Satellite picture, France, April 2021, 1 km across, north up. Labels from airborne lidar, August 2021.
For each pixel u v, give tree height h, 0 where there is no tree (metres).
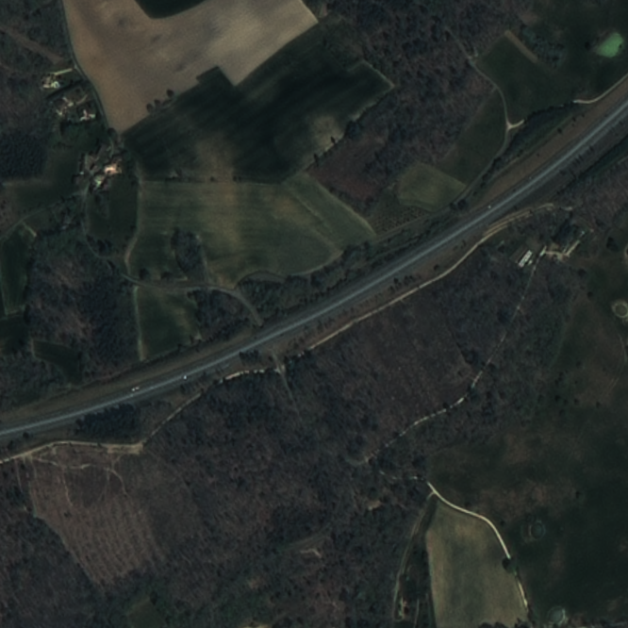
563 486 0
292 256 0
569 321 17
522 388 17
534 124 11
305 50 0
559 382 11
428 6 13
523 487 0
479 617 0
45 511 0
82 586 16
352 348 19
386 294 0
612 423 0
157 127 0
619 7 0
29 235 0
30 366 16
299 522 8
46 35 12
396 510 12
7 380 18
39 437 0
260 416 23
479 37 12
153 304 0
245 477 6
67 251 19
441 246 0
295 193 0
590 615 0
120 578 0
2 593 12
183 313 0
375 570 12
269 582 18
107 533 0
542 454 0
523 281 19
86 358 13
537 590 0
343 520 15
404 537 17
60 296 16
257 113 0
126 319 13
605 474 0
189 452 11
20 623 13
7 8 19
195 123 0
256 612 17
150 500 0
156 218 0
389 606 17
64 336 12
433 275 0
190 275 27
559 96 0
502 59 0
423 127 13
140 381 0
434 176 0
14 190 0
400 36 14
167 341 0
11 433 0
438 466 0
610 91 0
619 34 0
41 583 14
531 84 0
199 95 0
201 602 17
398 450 16
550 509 0
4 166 12
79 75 6
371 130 13
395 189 0
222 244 0
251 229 0
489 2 14
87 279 13
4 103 21
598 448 0
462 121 12
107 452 0
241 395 15
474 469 0
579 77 0
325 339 0
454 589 0
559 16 0
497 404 12
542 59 7
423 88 18
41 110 21
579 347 0
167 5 0
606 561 0
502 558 0
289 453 25
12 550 8
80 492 0
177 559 19
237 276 0
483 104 14
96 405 0
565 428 0
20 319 0
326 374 14
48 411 0
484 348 12
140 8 0
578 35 0
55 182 0
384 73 14
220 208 0
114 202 0
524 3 19
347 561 6
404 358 0
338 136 0
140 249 0
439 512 0
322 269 0
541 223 14
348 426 12
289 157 0
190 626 18
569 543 0
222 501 14
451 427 12
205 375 0
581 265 0
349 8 18
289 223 0
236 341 0
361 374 14
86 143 0
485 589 0
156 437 11
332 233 0
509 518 0
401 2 23
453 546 0
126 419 19
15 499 13
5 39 20
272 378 19
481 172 0
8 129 23
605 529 0
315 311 0
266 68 0
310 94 0
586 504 0
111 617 20
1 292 0
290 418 19
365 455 15
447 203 0
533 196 0
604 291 0
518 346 14
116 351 13
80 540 0
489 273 18
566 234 16
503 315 16
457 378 8
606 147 0
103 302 14
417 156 15
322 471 15
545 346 12
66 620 13
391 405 6
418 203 0
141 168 0
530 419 13
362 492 12
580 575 0
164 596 20
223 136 0
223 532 9
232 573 13
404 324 0
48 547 11
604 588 0
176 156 0
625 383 0
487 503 0
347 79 0
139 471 0
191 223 0
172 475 0
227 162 0
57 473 0
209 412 16
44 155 18
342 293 0
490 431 11
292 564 12
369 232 0
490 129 0
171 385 0
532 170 0
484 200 0
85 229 10
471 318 15
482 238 0
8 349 0
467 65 6
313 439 19
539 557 0
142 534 0
